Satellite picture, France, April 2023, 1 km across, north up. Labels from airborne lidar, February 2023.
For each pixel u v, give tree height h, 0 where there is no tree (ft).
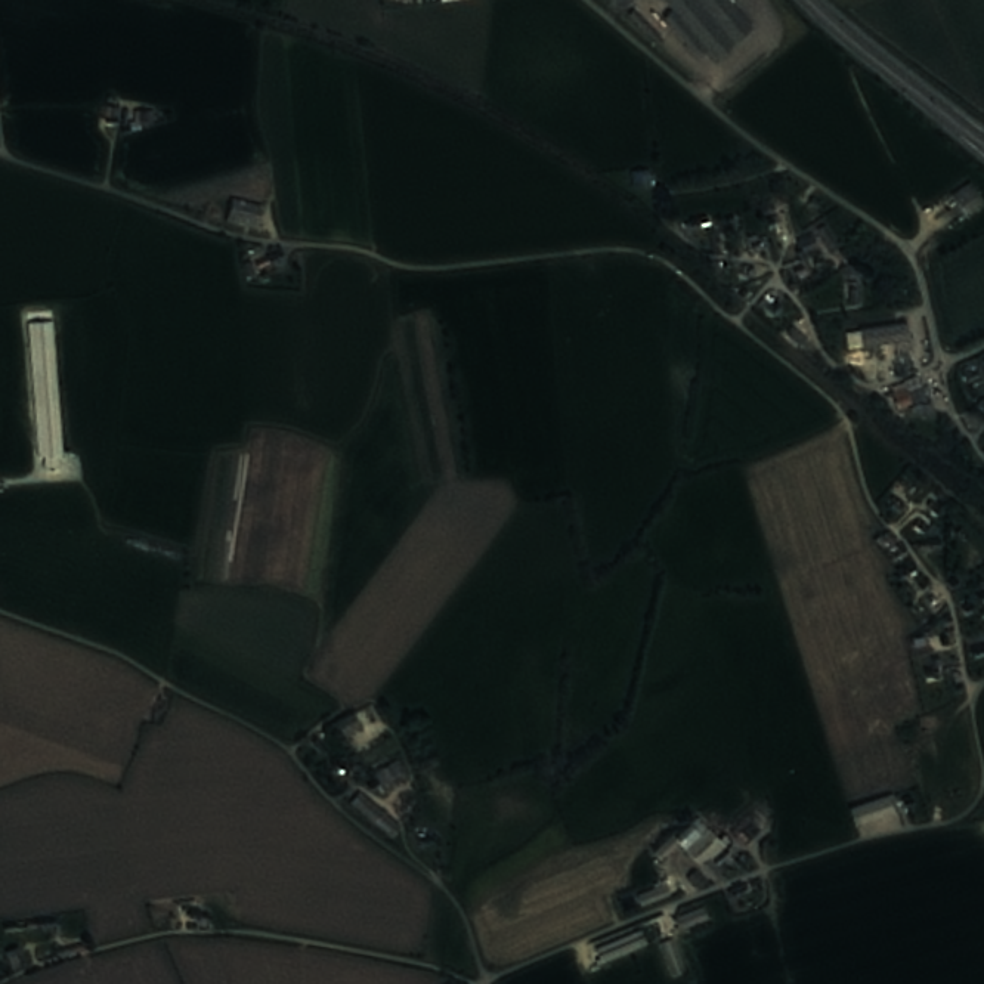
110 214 0
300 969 0
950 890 0
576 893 0
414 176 0
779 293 0
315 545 0
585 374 0
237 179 0
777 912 0
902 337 0
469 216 0
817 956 0
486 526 0
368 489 0
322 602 0
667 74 0
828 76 0
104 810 0
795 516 0
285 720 0
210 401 0
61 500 0
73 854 0
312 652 0
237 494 0
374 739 0
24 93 0
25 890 0
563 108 0
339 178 0
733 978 0
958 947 0
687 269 0
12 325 0
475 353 0
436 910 0
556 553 0
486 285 0
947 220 0
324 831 0
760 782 0
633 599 0
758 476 0
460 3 0
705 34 0
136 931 0
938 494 27
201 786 0
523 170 0
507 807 0
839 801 0
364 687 0
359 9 0
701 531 0
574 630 0
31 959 0
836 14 0
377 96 0
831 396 0
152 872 0
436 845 39
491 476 0
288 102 0
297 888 0
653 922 0
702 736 0
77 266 0
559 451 0
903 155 0
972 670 33
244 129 0
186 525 0
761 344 0
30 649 0
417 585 0
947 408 0
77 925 0
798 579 0
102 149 0
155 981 0
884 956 0
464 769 0
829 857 0
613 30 0
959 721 0
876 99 0
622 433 0
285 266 0
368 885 0
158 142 0
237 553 0
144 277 0
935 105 0
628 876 0
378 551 0
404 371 0
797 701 0
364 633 0
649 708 0
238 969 0
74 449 0
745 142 0
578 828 0
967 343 34
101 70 0
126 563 0
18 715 0
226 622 0
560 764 38
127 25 0
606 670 0
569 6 0
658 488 0
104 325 0
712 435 0
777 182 37
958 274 0
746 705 0
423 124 0
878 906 0
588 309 0
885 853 0
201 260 0
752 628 0
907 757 0
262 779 0
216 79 0
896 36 0
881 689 0
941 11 0
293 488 0
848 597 0
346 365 0
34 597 0
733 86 0
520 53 0
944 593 0
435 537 0
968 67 0
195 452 0
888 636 0
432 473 0
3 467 0
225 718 0
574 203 0
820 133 0
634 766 0
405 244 0
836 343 0
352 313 0
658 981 0
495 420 0
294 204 0
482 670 0
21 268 0
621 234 0
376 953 0
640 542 22
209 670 0
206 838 0
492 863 0
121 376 0
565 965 0
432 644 0
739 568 0
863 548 0
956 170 0
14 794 0
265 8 22
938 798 0
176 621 0
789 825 0
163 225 0
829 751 0
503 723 0
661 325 0
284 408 0
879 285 32
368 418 0
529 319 0
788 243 0
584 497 0
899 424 20
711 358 0
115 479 0
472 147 0
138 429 0
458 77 0
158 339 0
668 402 0
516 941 0
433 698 0
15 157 0
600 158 0
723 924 0
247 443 0
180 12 0
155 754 0
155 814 0
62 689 0
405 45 0
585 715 0
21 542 0
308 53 0
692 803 0
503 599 0
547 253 0
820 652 0
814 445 0
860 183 0
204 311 0
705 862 0
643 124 0
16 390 0
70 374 0
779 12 0
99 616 0
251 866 0
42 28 0
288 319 0
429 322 0
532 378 0
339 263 0
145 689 0
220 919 0
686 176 29
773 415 0
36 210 0
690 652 0
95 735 0
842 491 0
